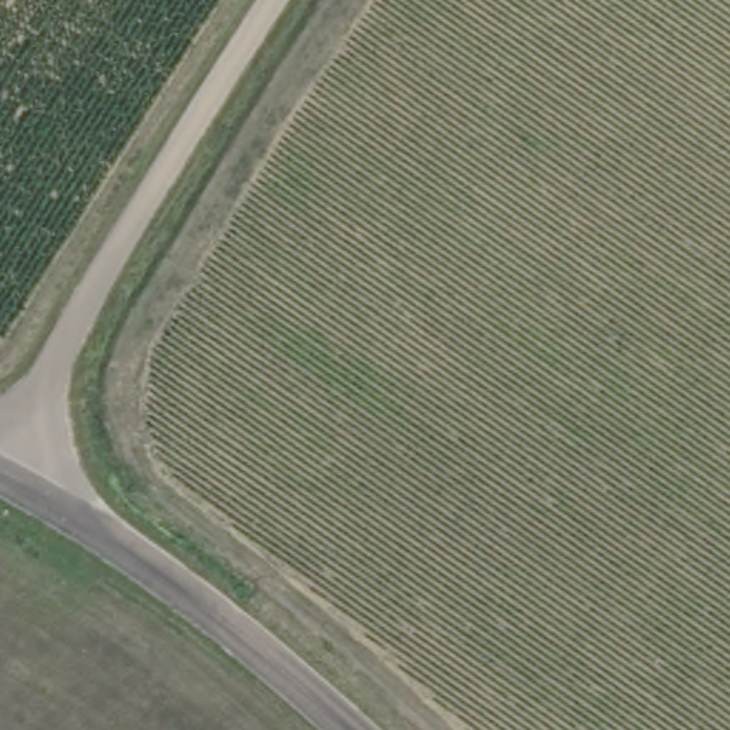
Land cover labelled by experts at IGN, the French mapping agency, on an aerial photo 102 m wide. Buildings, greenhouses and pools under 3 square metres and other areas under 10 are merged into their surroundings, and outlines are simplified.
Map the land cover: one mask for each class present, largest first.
<instances>
[{"label":"vineyard","instance_id":"1","mask_svg":"<svg viewBox=\"0 0 730 730\"><path fill-rule=\"evenodd\" d=\"M220 0H0V334L9 331L11 319L23 311L31 288L40 282L51 257L80 220L88 197L97 191L106 168L120 154L125 140L134 134L145 108L160 94L163 83L191 46L200 23L211 14V9ZM106 428L114 439L117 453L134 468L137 476H154L157 482L171 488L183 502L197 508L214 528L228 533L251 556H262L268 550L277 559H282L285 565L279 567V576L311 605H317L328 619L345 627L368 653H374L385 664V670L413 696H419V701L448 730H730V0H319L314 17L297 37L288 57L274 71L262 100L254 106L234 145L222 157L217 174L202 191L197 208L183 225L168 257L157 268L151 285L143 291L134 311L128 314L125 328L114 345V359L108 365Z\"/></svg>","mask_w":730,"mask_h":730},{"label":"herbaceous vegetation","instance_id":"2","mask_svg":"<svg viewBox=\"0 0 730 730\"><path fill-rule=\"evenodd\" d=\"M257 0H220L211 9V14L200 23L191 46L163 83L160 94L145 108L134 134L125 140L120 154L106 168L97 191L88 197L80 220L51 257L40 282L31 288L23 311L11 319L9 331L0 334V394L17 385L34 368L74 288L83 282L97 251L108 240L123 211L128 208L140 183L163 154L177 123L188 111L191 100L202 88L205 77L217 66L220 54L225 51V46L231 43V37L237 34V29L242 26L245 14ZM319 0H288V6L265 34L262 46L251 57L248 68L240 74L228 100L217 111L205 137L197 143L194 154L188 157L165 200L154 211L131 257L125 259L120 277L114 279L106 305L100 308V317L77 354L71 371L68 411L74 422L80 462L94 490L125 522H131L148 539L180 556L191 570H197L220 590H225L245 613H251L262 627H268L311 667H317L328 682H334V687L345 693V699H351L362 710V716H368V730H448L419 701V696H413L385 670V664L374 653H368L345 627L328 619L317 605H311L279 576V567L285 565L282 559H277L268 550L262 556H251L228 533L214 528L197 508L183 502L171 488L157 482L154 476H137L134 468L117 453L114 439L106 428L108 365L114 359V345L125 328L128 314L134 311L143 291L151 285L157 268L168 257L183 225L197 208L202 191L217 174L222 157L234 145L254 106L262 100L274 71L288 57L297 37L314 17Z\"/></svg>","mask_w":730,"mask_h":730},{"label":"agricultural land","instance_id":"3","mask_svg":"<svg viewBox=\"0 0 730 730\"><path fill-rule=\"evenodd\" d=\"M0 730H314L288 701H282L262 679H257V673H251L234 656H228L220 647V642L205 636L191 622H185L165 602L151 596L145 587L114 570L111 565L100 562L83 545L66 539L63 533L46 528L40 519L0 499Z\"/></svg>","mask_w":730,"mask_h":730},{"label":"impervious surface","instance_id":"4","mask_svg":"<svg viewBox=\"0 0 730 730\"><path fill-rule=\"evenodd\" d=\"M288 6V0H257L245 14L242 26L237 29V34L231 37V43L225 46V51L220 54L217 66L205 77L202 88L191 100L188 111L177 123L163 154L140 183L128 208L123 211L108 240L97 251L83 282L74 288L34 368L17 385L0 394V499L40 519L46 528L63 533L66 539L83 545L100 562L111 565L114 570L145 587L151 596L165 602L185 622H191L205 636L220 642V647L228 656H234L251 673H257V679H262L282 701H288L314 730H368V716H362V710L351 699H345V693L334 687V682H328L317 667H311L268 627H262L251 613H245L225 590H220L197 570H191L180 556L148 539L131 522H125L94 490L80 462L74 422L68 411L71 371L77 354L100 317V308L106 305L114 279L120 277L125 259L131 257L154 211L165 200L188 157L194 154L197 143L205 137L217 111L228 100L240 74L248 68L251 57L262 46L265 34Z\"/></svg>","mask_w":730,"mask_h":730}]
</instances>
